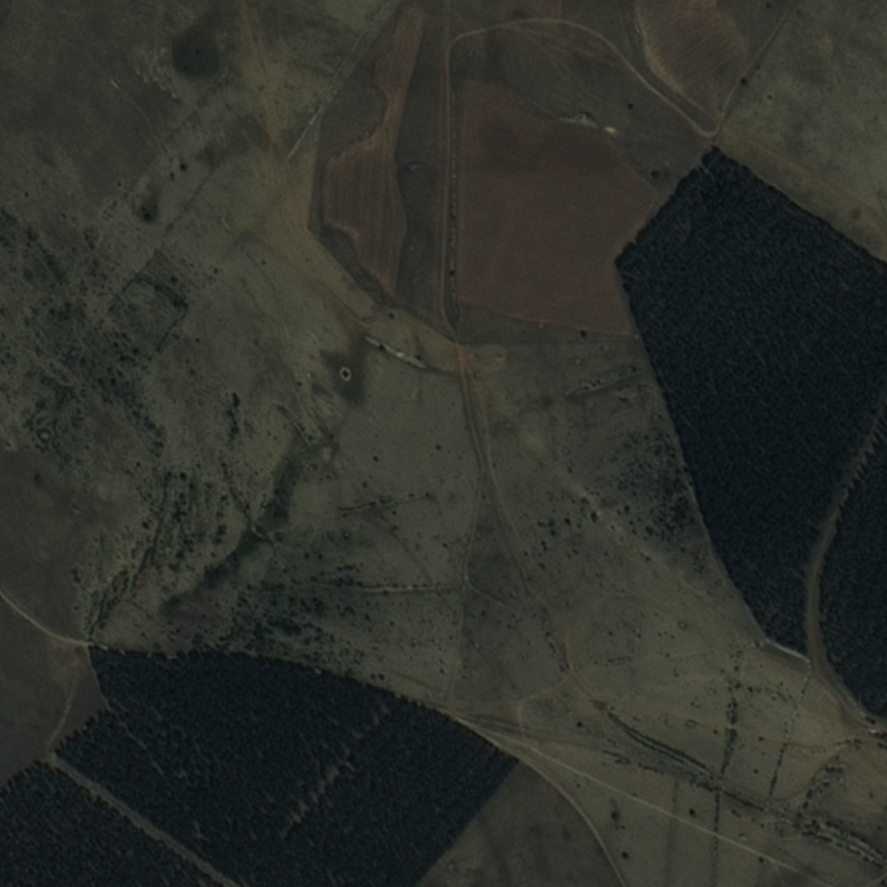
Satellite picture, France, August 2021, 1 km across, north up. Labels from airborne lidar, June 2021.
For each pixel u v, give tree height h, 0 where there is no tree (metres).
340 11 0
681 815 0
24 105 0
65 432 0
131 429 0
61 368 0
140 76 0
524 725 0
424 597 0
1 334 0
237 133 0
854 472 0
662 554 0
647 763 0
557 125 0
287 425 0
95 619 0
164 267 0
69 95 0
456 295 0
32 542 0
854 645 10
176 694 16
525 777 0
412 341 0
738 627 0
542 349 0
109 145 0
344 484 0
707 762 0
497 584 0
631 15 0
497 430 0
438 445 0
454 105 0
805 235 14
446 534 0
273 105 0
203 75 0
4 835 15
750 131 0
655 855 0
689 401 13
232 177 0
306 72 0
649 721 0
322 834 13
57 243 0
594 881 0
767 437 16
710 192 19
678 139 0
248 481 0
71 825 14
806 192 0
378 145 0
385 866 16
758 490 17
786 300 14
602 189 0
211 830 13
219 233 0
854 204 0
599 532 0
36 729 0
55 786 15
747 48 0
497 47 0
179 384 0
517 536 0
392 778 15
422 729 12
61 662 0
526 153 0
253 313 0
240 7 0
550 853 0
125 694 13
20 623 0
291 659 0
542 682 0
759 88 0
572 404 0
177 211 0
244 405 0
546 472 0
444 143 0
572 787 0
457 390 0
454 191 0
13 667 0
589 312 0
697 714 0
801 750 0
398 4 0
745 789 0
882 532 13
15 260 0
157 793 13
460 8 0
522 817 0
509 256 0
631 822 0
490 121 0
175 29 0
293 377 0
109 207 0
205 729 13
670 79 0
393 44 0
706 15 0
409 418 0
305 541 0
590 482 0
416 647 0
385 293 0
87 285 0
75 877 18
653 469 0
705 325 14
